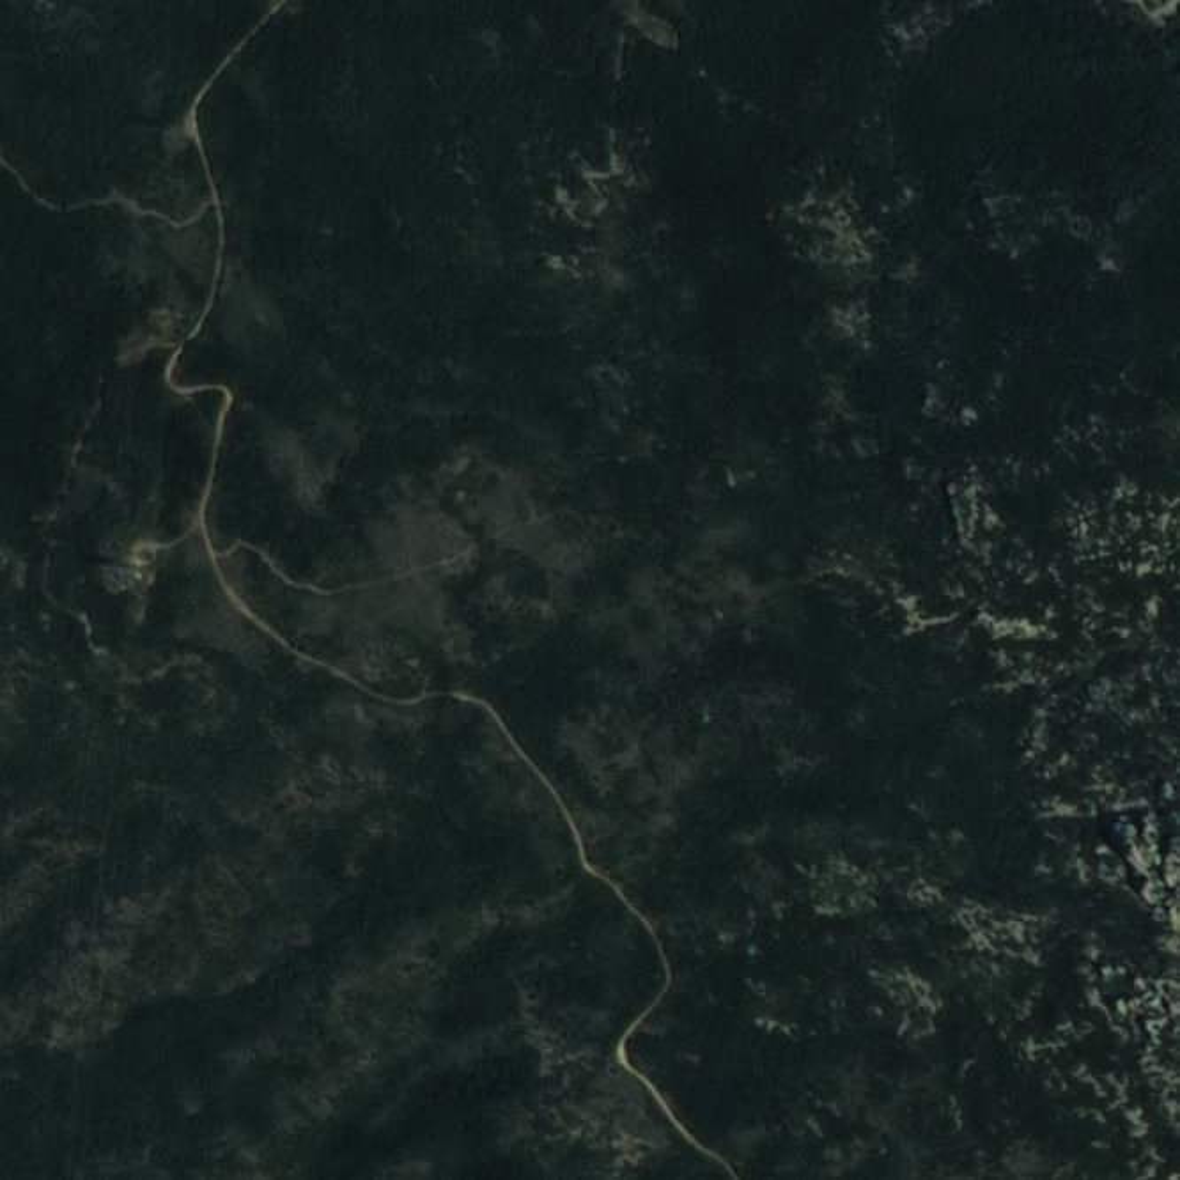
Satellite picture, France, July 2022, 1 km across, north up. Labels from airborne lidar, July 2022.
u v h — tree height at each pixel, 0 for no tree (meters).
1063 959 7
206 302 0
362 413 7
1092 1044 6
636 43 6
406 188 6
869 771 8
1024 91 7
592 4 7
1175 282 7
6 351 6
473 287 6
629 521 6
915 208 6
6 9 6
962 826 7
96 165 6
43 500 6
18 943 6
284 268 7
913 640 6
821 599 5
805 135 6
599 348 7
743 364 6
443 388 6
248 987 8
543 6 9
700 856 6
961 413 8
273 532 6
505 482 0
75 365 7
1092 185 8
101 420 7
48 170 7
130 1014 8
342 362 6
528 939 7
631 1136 0
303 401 7
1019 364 5
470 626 7
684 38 8
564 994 6
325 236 5
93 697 7
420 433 6
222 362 9
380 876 6
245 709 6
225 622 0
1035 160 6
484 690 6
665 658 5
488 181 6
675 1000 6
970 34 9
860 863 8
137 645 6
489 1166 6
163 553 0
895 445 5
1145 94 8
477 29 6
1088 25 7
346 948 6
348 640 0
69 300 7
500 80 9
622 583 7
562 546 0
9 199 8
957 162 7
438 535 0
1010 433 7
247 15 8
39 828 6
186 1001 7
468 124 9
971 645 8
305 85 10
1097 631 8
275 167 9
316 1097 0
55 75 10
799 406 6
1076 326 6
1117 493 0
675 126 6
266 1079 6
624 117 8
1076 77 6
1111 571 7
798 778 6
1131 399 6
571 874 5
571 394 6
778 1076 6
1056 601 8
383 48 7
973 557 7
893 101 6
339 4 8
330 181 7
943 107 6
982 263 6
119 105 6
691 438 7
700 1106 8
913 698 6
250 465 6
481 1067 7
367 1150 5
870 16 7
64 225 10
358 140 7
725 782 6
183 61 6
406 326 6
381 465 6
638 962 6
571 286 6
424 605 0
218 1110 6
